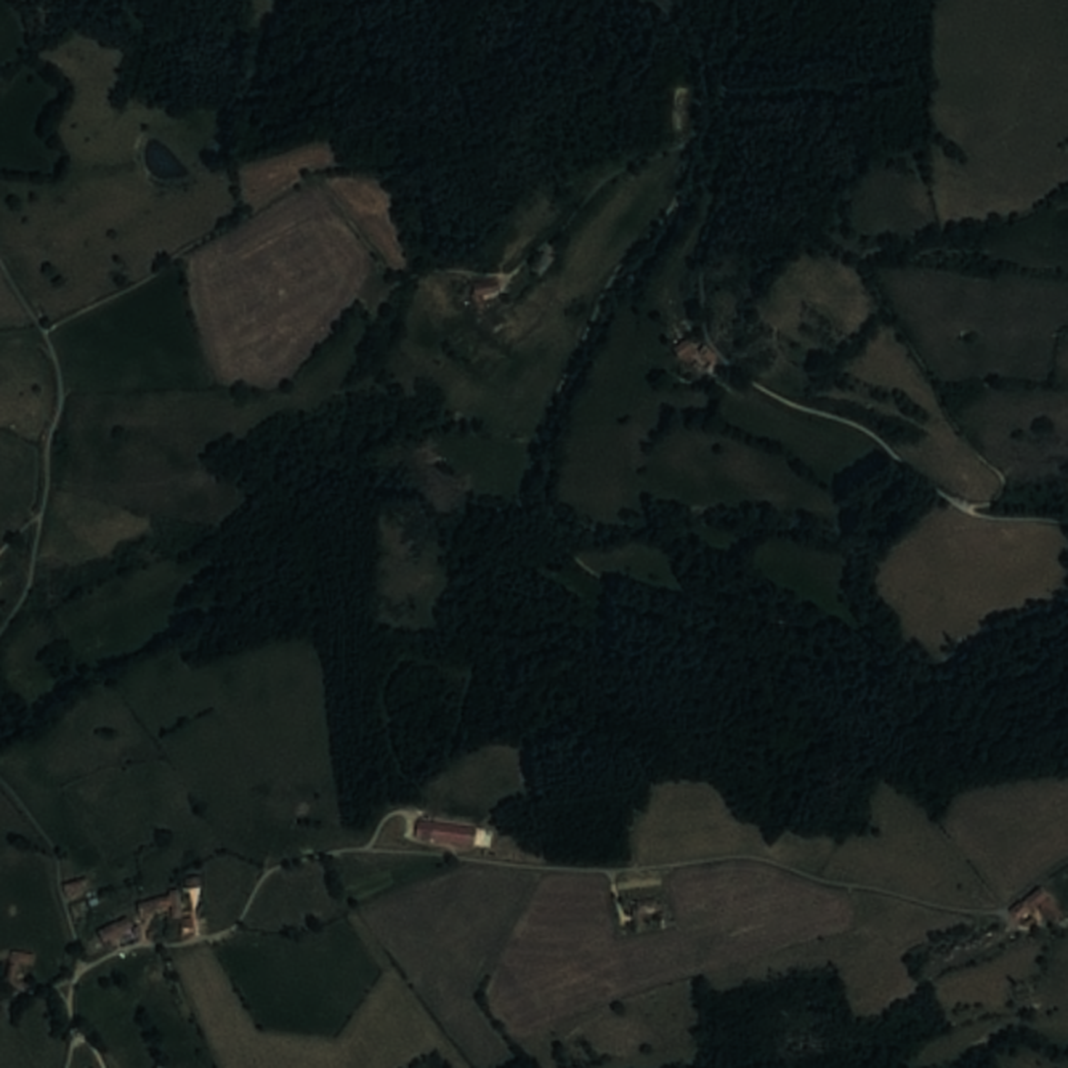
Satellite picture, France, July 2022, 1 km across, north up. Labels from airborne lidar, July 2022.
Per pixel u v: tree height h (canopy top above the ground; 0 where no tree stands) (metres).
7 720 5
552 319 0
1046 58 0
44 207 0
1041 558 0
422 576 0
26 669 0
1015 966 0
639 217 0
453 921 0
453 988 0
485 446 0
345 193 0
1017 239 0
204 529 8
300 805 0
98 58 0
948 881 0
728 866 0
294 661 0
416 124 14
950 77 0
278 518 16
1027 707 21
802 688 30
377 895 0
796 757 14
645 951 0
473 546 16
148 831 0
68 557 0
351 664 12
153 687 0
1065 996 0
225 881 0
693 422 23
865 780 18
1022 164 0
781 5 8
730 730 13
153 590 0
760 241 8
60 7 16
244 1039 0
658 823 0
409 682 13
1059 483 9
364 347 16
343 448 24
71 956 12
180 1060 0
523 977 0
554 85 13
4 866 0
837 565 0
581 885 0
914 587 0
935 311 0
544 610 14
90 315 0
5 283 0
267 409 0
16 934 0
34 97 0
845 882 0
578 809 13
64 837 0
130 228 0
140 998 0
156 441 0
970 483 0
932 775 24
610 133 10
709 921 0
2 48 0
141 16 20
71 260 0
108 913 0
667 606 29
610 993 0
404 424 20
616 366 0
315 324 0
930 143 11
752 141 23
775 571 0
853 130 22
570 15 26
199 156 0
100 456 0
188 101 21
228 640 20
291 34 26
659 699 29
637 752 18
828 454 0
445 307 0
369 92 25
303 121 22
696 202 12
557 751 24
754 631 12
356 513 7
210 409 0
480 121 16
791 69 27
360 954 0
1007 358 0
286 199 0
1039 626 25
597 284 0
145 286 0
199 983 0
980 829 0
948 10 0
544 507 22
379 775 19
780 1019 9
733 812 9
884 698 23
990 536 0
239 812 0
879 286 7
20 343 0
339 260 0
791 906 0
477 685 12
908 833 0
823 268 0
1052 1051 16
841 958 0
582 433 0
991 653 20
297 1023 0
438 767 8
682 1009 0
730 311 0
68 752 0
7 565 0
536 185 12
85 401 0
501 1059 0
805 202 23
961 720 17
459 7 24
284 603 9
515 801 10
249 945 0
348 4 17
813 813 22
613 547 10
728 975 0
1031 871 0
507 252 0
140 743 0
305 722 0
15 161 0
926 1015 20
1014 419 0
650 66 22
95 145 0
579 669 28
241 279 0
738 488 0
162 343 0
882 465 31
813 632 29
